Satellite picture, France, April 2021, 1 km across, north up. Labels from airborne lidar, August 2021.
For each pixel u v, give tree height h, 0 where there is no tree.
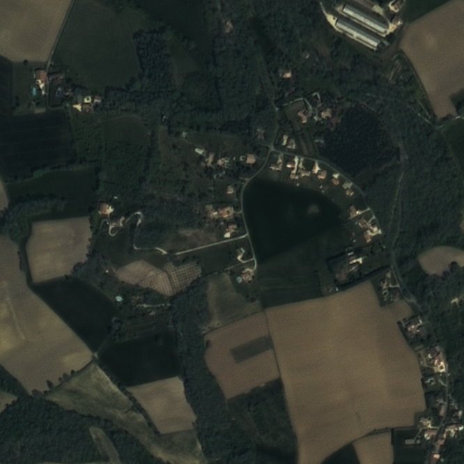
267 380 0
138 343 0
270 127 18
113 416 0
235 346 0
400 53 0
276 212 0
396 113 20
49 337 0
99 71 0
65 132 0
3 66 0
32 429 18
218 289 0
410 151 15
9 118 0
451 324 8
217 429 14
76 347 0
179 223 19
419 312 0
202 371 13
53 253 0
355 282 11
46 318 0
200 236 0
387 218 14
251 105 17
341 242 0
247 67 17
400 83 16
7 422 22
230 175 9
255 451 9
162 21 10
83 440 17
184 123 11
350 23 8
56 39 0
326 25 12
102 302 0
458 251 0
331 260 12
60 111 0
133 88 12
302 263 0
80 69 0
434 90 0
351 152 7
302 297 0
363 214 0
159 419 0
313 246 0
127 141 0
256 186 0
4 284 0
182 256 0
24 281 0
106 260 17
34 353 0
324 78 7
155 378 0
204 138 0
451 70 0
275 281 0
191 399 16
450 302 11
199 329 10
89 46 0
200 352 12
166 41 17
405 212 16
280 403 0
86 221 0
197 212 9
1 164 0
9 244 0
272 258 0
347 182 0
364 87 22
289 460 0
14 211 23
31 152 0
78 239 0
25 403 18
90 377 0
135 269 0
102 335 0
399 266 7
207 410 17
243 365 0
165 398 0
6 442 18
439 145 8
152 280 0
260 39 0
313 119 6
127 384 0
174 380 0
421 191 22
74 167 16
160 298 7
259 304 0
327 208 0
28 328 0
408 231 16
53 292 0
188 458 0
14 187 0
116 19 0
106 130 0
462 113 22
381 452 0
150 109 14
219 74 18
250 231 0
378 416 0
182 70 0
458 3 0
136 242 15
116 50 0
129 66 0
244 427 0
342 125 7
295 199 0
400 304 0
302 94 8
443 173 28
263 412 7
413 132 22
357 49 0
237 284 0
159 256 0
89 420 15
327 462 0
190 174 18
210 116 14
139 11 13
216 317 0
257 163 9
